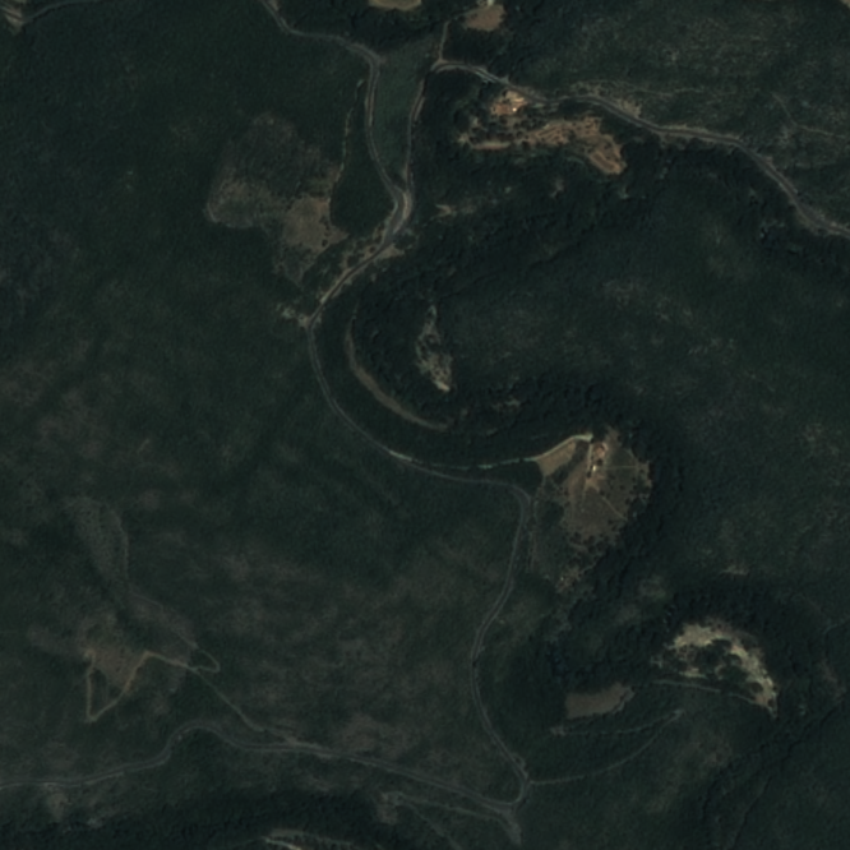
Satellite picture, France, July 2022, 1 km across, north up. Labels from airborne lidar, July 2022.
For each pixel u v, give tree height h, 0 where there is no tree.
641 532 19
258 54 7
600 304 6
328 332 12
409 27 13
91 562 7
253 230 9
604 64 6
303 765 6
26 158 6
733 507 6
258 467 7
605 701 0
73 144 6
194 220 7
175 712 7
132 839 17
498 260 11
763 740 14
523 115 7
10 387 0
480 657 6
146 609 0
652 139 10
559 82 7
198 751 9
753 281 7
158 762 0
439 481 10
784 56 6
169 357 6
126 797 6
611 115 5
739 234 11
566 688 9
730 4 7
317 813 12
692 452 10
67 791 7
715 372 6
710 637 0
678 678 8
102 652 0
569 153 8
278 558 0
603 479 0
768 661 7
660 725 6
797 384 6
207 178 9
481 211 10
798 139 8
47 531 6
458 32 8
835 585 7
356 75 7
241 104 6
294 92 6
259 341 5
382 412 8
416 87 8
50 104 9
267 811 14
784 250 17
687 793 12
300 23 12
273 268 7
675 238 6
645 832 8
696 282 7
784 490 5
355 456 5
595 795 7
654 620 6
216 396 6
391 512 7
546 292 6
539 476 7
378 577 6
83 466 0
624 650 10
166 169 6
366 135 12
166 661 0
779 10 6
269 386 5
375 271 8
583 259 7
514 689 7
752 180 19
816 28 9
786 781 9
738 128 7
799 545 8
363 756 7
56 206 5
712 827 30
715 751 7
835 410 6
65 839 9
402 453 6
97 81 6
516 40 10
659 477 27
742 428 7
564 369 12
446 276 8
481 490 5
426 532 6
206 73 5
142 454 0
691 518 6
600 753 6
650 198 11
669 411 10
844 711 8
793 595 7
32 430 0
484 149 6
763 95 5
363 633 0
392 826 7
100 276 6
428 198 7
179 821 15
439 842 7
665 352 6
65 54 6
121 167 5
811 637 6
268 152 6
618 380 9
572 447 0
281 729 7
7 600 0
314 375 7
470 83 13
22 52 10
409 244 16
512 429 10
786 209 9
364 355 18
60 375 0
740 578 12
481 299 6
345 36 7
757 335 8
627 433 16
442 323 13
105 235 5
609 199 19
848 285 8
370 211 7
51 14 6
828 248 9
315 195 10
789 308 8
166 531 0
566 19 7
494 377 10
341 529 7
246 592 0
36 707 0
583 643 6
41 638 0
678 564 6
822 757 6
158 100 6
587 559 7
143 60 6
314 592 0
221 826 13
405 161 8
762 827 6
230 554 0
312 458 6
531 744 6
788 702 17
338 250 8
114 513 0
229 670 7
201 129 5
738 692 8
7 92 7
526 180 10
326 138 6
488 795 7
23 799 7
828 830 6
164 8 5
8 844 15
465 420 6
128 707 6
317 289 11
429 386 6
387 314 16
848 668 6
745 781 9
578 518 0
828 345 7
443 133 20
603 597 16
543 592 6
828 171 7
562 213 10
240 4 6
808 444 6
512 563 7
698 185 9
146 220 6
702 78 7
